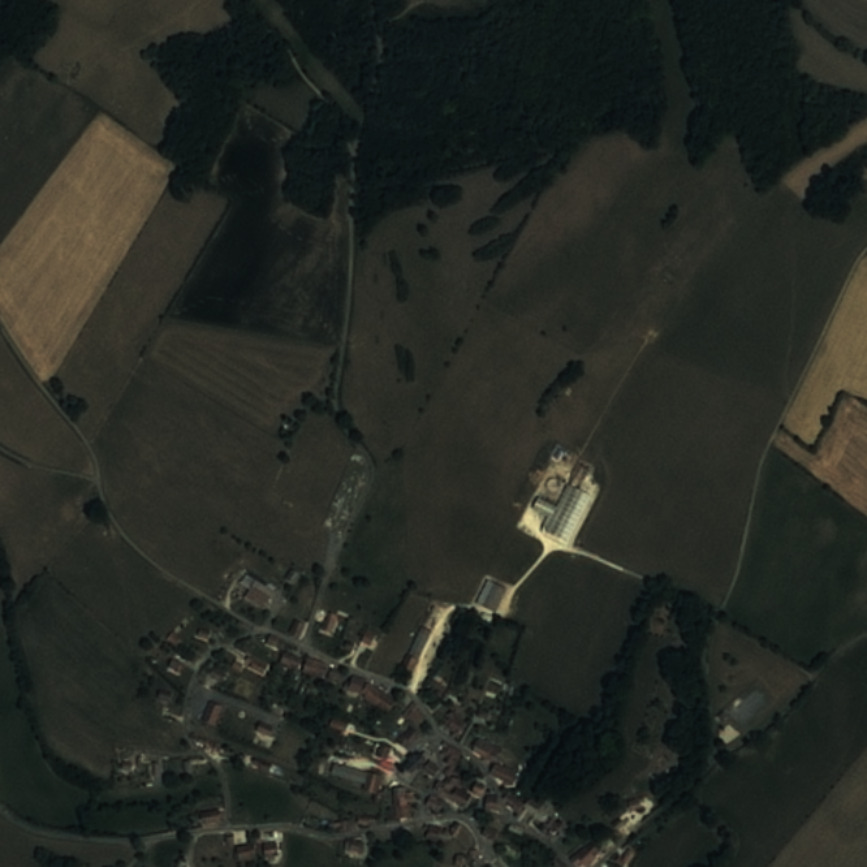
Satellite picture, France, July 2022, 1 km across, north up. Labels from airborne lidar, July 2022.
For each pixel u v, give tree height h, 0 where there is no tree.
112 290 0
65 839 0
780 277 0
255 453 0
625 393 0
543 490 0
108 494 0
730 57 18
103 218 0
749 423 0
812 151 15
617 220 0
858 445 0
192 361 0
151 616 0
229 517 0
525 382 0
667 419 0
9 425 0
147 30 0
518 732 0
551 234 0
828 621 0
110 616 0
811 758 0
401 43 15
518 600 0
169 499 0
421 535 0
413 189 16
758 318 0
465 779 12
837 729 0
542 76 12
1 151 0
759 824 0
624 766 0
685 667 13
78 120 0
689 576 0
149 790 0
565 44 15
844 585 0
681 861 0
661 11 0
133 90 0
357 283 0
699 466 0
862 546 0
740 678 0
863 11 0
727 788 0
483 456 0
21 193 0
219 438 0
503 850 13
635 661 18
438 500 0
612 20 15
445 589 0
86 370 0
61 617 0
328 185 20
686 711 28
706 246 0
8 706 0
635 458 0
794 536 0
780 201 0
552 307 0
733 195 0
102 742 0
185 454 0
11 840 0
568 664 0
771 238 0
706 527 0
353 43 16
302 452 0
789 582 0
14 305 0
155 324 0
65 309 0
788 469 0
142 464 0
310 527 0
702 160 20
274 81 13
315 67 0
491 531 0
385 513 0
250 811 0
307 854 0
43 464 0
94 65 0
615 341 0
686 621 25
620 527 0
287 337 0
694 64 20
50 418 0
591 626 0
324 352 0
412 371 6
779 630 0
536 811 0
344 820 0
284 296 0
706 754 25
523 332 0
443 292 0
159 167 0
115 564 0
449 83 16
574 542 0
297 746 0
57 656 0
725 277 0
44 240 0
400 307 0
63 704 0
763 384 0
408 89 12
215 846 0
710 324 0
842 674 0
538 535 0
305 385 0
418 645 0
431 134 9
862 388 0
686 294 0
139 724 0
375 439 0
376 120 12
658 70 23
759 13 17
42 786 0
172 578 0
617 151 0
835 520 0
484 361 0
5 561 16
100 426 0
